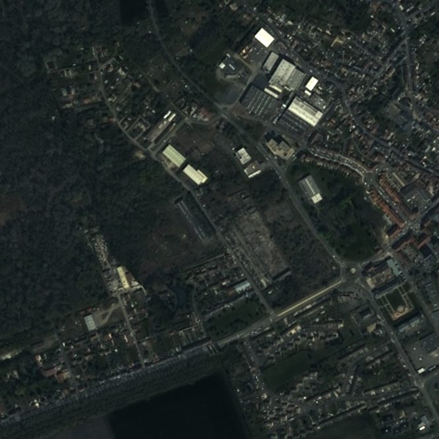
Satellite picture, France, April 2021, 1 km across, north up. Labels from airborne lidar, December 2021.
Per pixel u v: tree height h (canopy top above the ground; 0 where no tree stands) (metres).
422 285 0
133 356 0
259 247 0
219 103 0
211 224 10
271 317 0
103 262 0
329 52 6
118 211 26
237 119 0
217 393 0
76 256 27
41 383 19
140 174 21
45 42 23
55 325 7
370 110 10
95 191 17
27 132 7
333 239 21
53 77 0
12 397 16
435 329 18
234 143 20
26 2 16
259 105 0
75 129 9
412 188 0
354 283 0
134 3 0
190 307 6
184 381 25
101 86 0
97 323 0
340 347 18
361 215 24
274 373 0
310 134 0
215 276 0
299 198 0
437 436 0
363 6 12
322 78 0
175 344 0
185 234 0
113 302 0
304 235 7
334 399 0
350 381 0
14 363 16
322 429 0
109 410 20
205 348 0
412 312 0
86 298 22
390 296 0
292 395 0
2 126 6
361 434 0
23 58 29
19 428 31
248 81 0
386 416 0
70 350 5
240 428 0
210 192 20
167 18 10
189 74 9
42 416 31
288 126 0
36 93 14
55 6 33
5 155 9
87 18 31
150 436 0
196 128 0
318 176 0
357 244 0
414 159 0
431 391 0
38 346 0
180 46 0
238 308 0
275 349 0
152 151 0
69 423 13
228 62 0
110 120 0
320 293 0
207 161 12
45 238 31
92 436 0
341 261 0
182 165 0
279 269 0
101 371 9
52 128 15
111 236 10
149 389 25
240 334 0
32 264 10
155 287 28
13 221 7
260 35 0
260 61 0
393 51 0
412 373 0
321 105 0
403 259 0
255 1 0
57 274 30
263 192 9
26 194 9
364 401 0
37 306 11
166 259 0
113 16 12
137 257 20
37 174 23
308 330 0
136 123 0
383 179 0
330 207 18
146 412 0
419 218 0
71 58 0
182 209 0
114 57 0
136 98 8
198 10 0
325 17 11
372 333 0
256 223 0
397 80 12
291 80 0
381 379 0
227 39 7
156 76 0
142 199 6
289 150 0
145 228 10
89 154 11
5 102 18
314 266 0
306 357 0
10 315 35
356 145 0
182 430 0
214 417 0
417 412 0
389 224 0
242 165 0
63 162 23
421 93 0
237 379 7
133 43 10
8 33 20
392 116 0
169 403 0
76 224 26
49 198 24
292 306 0
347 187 0
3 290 8
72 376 0
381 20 9
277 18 0
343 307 0
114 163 6
